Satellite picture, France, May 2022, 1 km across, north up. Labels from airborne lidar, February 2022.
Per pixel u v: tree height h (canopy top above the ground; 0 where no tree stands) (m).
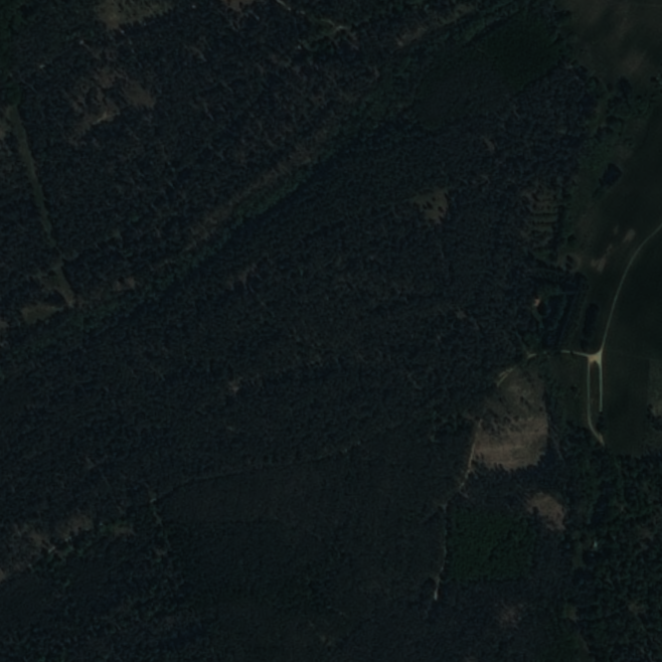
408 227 21
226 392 26
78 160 25
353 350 24
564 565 27
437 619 25
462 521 16
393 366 23
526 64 16
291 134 26
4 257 24
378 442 21
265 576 20
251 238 32
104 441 21
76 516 21
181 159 23
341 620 24
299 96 25
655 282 0
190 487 18
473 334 27
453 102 15
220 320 26
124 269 29
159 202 25
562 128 24
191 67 27
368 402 29
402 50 6
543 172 27
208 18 31
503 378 0
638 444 0
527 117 24
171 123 24
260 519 16
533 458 0
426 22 26
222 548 21
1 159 23
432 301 26
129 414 11
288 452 25
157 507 17
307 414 24
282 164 31
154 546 13
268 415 24
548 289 20
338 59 32
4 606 16
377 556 22
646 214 0
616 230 0
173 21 28
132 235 25
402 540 22
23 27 30
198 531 21
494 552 17
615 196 0
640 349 0
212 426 28
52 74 21
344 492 14
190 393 28
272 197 25
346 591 22
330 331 28
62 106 28
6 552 10
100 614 10
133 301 22
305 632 22
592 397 0
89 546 10
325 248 24
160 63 24
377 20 28
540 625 25
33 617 13
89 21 26
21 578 15
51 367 29
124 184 26
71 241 27
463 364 24
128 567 9
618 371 0
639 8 0
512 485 24
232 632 20
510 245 28
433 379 17
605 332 0
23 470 14
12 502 13
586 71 13
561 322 29
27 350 12
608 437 0
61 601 8
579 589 30
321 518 17
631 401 0
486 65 13
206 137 30
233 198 26
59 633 8
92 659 23
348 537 18
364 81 29
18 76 31
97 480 22
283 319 23
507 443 0
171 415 25
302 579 21
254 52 32
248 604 21
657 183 0
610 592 19
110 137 27
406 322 23
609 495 27
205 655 21
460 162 27
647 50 0
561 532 7
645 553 8
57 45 31
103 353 24
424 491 23
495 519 18
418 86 20
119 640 28
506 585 27
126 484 9
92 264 30
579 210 0
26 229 27
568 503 27
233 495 17
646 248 0
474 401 25
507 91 12
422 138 33
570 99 21
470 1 9
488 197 19
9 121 23
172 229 27
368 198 35
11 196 12
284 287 24
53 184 24
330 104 25
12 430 9
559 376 0
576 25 0
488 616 28
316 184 29
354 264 22
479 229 21
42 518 9
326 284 24
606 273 0
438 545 22
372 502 21
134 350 29
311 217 31
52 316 0
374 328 27
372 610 18
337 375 25
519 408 0
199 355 26
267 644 18
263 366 24
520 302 34
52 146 20
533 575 22
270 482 17
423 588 21
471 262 21
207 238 0
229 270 35
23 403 10
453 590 25
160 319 35
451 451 19
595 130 0
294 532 19
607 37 0
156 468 23
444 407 21
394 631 24
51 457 12
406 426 20
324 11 27
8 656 8
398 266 26
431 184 28
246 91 33
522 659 22
